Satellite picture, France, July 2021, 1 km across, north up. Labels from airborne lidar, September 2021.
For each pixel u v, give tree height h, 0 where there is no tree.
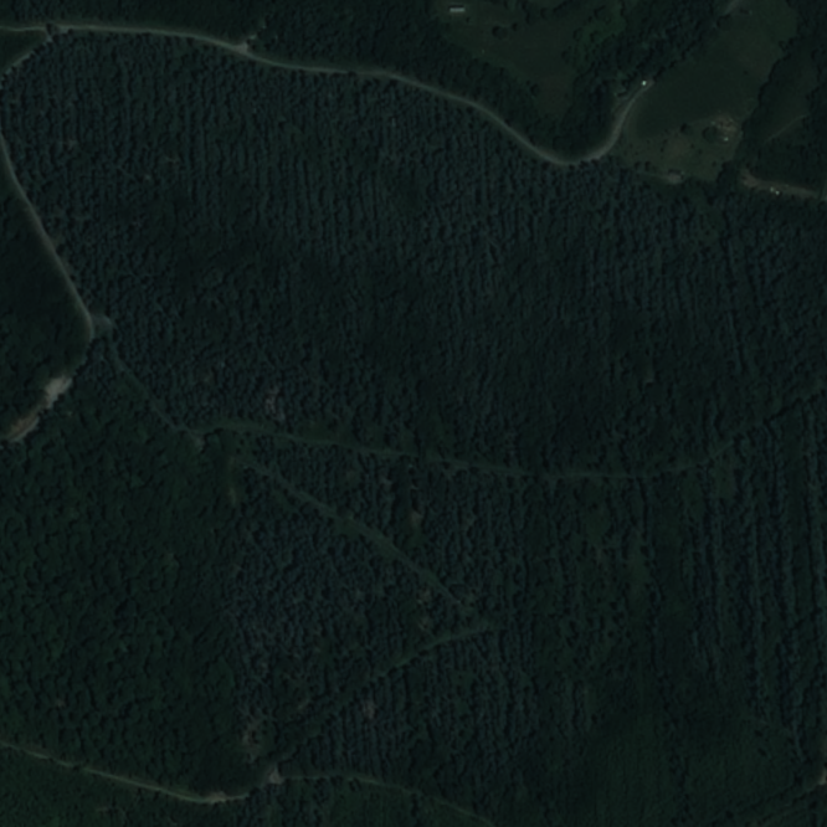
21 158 27
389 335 20
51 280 24
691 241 26
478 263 20
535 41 0
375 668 19
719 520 28
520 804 6
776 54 0
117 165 21
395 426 24
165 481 21
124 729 28
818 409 22
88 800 20
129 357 25
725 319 25
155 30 0
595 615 12
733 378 17
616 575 7
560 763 24
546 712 27
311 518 16
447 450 24
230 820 17
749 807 8
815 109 8
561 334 21
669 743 7
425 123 28
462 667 27
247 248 22
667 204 32
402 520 26
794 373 20
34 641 26
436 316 20
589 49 13
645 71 13
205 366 25
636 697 20
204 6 9
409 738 16
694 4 22
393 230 23
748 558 7
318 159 9
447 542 30
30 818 21
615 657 8
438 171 26
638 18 9
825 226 18
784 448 30
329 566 30
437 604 9
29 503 29
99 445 14
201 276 20
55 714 31
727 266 20
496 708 25
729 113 0
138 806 15
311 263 21
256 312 15
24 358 25
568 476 8
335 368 27
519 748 21
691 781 18
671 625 24
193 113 14
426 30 17
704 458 8
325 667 14
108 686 18
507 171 15
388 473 24
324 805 17
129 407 9
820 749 15
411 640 22
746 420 23
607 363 24
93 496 20
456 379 22
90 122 24
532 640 20
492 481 23
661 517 22
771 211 15
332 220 19
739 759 6
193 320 26
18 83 25
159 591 30
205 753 20
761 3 0
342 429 17
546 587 27
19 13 19
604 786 8
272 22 13
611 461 30
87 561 34
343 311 30
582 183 25
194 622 24
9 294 21
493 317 18
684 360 23
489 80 19
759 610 25
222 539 19
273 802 24
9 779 18
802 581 26
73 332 20
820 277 17
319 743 12
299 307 29
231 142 7
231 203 24
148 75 25
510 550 26
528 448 27
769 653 6
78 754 16
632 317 24
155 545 22
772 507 6
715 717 8
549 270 15
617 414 21
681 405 28
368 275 32
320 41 15
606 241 22
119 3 11
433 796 11
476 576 25
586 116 7
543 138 20
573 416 23
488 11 0
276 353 22
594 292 23
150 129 22
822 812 23
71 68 30
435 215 13
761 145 7
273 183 23
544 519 18
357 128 23
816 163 6
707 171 0
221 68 22
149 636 27
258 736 16
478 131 23
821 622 32
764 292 16
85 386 18
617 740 6
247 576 27
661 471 11
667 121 0
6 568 28
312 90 25
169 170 20
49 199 21
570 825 7
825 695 27
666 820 6
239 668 24
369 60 17
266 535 22
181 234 28
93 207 24
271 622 31
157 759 15
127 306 28
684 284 35
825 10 20
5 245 19
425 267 29
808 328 14
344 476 20
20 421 16
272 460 22
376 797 6
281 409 20
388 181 11
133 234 20
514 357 17
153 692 32
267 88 25
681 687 21
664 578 25
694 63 17
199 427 29
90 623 31
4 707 13
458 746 28
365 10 15
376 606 20
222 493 24
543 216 23
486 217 18
